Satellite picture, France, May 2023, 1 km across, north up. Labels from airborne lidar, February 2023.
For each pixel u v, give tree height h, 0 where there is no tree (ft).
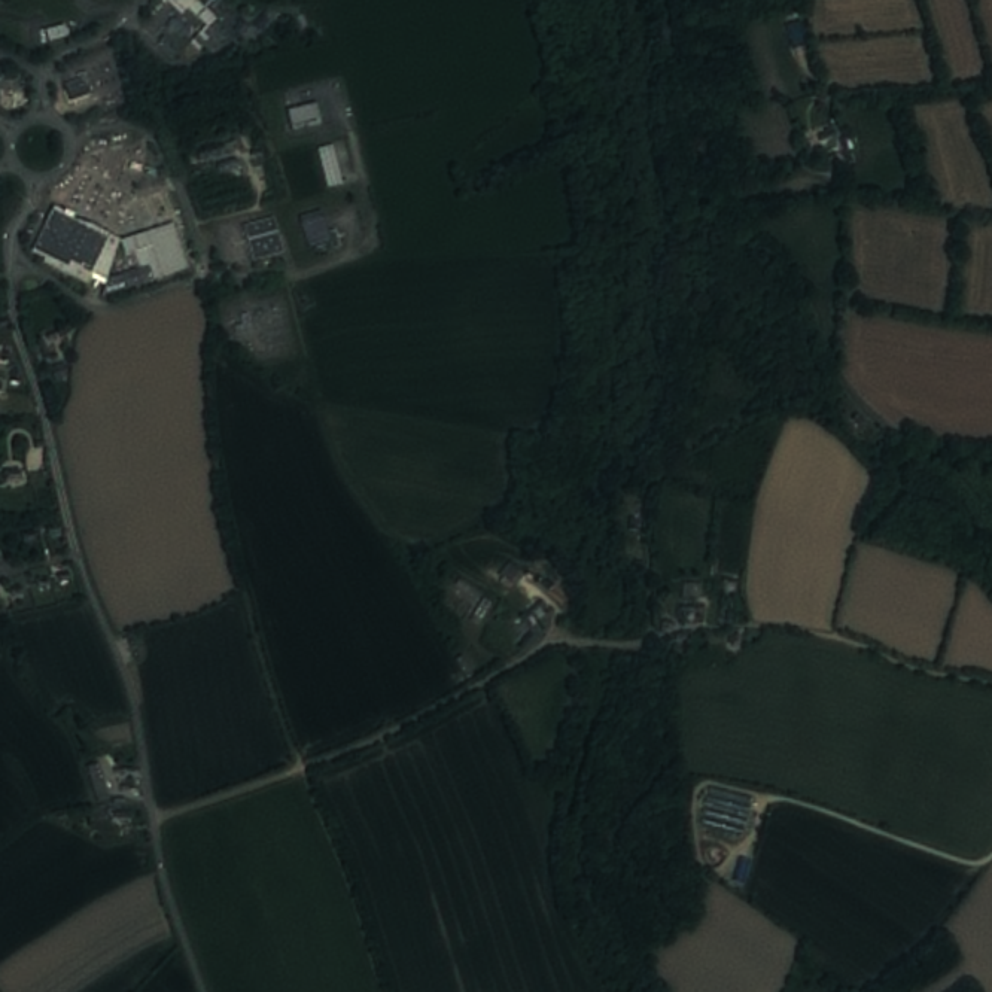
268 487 0
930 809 0
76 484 0
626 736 54
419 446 0
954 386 0
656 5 76
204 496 0
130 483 0
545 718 0
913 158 61
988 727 0
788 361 37
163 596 0
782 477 0
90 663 0
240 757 0
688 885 57
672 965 0
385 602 0
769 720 0
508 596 0
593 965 26
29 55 32
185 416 0
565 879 57
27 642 0
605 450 51
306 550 0
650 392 43
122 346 0
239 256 0
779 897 0
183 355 0
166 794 0
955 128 0
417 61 0
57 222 0
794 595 0
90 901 0
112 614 0
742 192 86
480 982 0
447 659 0
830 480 0
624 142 41
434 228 0
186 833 0
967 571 56
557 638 0
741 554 0
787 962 0
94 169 0
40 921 0
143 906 0
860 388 0
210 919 0
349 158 0
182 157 36
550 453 70
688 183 73
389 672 0
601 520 41
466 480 0
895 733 0
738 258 38
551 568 50
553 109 65
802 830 0
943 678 18
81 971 0
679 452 79
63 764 0
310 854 0
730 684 0
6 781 0
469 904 0
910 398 0
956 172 0
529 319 0
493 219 0
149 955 0
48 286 38
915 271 0
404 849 0
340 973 0
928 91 37
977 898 0
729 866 0
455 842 0
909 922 0
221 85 55
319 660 0
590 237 69
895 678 0
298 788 0
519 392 0
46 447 24
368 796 0
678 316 58
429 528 0
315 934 0
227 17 0
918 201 60
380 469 0
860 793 0
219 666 0
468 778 0
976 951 0
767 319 31
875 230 0
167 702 0
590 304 82
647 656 51
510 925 0
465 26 0
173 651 0
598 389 82
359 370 0
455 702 37
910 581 0
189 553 0
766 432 0
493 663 28
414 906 0
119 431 0
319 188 0
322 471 0
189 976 0
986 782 0
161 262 0
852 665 0
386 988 35
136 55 55
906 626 0
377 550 0
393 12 0
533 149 18
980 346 0
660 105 70
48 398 64
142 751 0
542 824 0
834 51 0
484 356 0
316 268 0
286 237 0
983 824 0
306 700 0
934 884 0
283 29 40
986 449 68
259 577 0
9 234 0
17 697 0
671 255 71
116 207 0
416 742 0
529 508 92
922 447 64
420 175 0
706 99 57
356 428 0
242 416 0
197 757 0
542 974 0
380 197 0
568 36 84
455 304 0
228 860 0
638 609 28
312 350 0
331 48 0
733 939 0
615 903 63
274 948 0
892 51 0
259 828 0
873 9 0
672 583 0
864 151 0
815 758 0
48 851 0
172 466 0
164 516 0
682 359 64
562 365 57
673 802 54
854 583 0
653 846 65
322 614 0
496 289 0
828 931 0
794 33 0
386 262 0
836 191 57
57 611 0
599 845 66
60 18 0
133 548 0
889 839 0
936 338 0
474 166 0
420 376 0
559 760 50
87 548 0
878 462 54
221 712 0
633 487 51
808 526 0
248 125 36
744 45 52
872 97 59
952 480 69
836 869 0
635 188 51
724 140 68
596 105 27
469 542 0
